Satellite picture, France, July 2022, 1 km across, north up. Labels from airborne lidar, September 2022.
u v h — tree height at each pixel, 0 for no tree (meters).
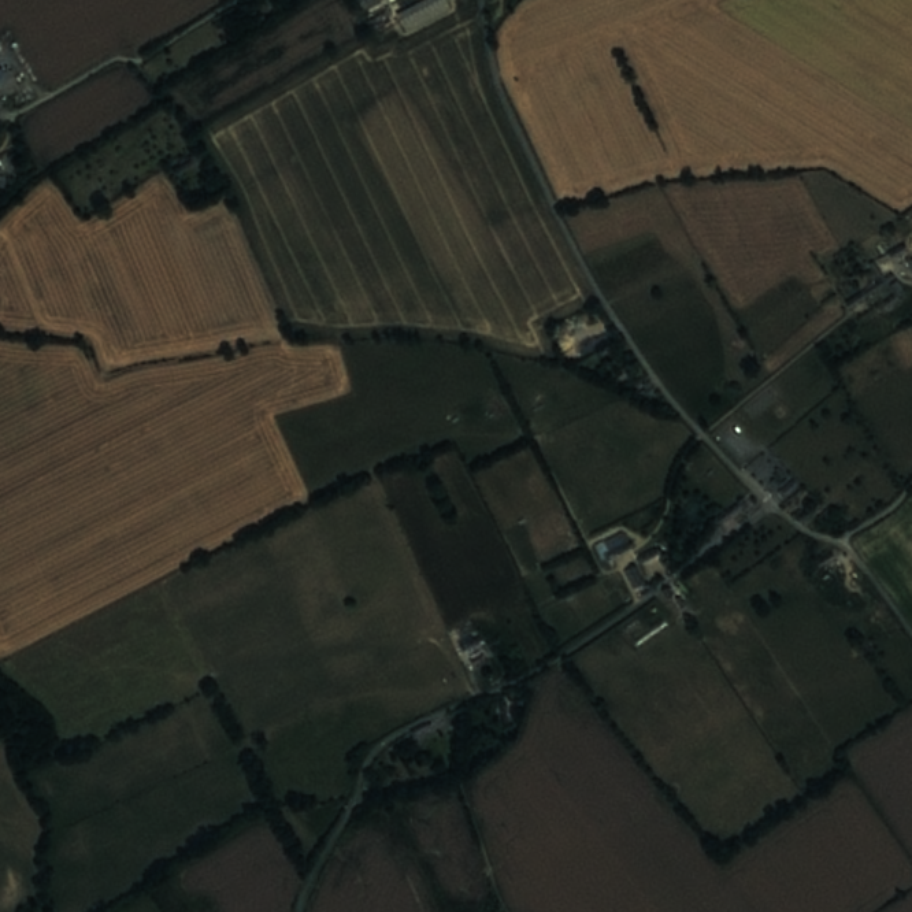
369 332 0
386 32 0
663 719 0
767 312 0
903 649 0
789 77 0
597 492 0
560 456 0
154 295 0
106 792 0
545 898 0
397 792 19
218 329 0
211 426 0
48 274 0
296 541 0
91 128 0
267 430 0
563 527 0
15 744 16
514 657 7
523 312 0
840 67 0
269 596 0
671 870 0
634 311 0
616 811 0
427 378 0
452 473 0
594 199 15
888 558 0
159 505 0
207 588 0
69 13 0
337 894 0
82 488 0
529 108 0
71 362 0
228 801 0
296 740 0
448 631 0
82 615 0
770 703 0
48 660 0
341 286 0
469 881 0
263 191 0
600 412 0
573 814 0
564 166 0
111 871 0
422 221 0
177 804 0
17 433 0
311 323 0
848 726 0
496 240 0
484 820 0
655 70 0
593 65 0
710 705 0
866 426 6
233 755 0
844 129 0
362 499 0
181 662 0
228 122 0
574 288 0
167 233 0
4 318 0
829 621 0
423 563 0
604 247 0
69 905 0
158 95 14
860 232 0
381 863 0
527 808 0
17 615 0
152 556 0
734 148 0
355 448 0
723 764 0
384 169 0
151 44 10
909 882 0
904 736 0
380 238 0
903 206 0
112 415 0
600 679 0
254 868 0
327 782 0
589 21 0
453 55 0
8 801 0
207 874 0
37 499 0
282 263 0
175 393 0
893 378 0
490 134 0
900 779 0
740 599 0
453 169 0
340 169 0
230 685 0
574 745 0
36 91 0
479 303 0
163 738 0
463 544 0
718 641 0
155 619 0
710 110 0
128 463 0
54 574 0
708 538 6
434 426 0
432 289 0
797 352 0
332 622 0
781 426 0
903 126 0
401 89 0
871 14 0
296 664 0
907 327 7
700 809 0
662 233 0
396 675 0
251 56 0
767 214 0
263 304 0
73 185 0
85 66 0
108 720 0
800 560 0
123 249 0
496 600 0
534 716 0
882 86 0
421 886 0
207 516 0
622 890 0
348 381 0
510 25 0
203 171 12
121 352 0
